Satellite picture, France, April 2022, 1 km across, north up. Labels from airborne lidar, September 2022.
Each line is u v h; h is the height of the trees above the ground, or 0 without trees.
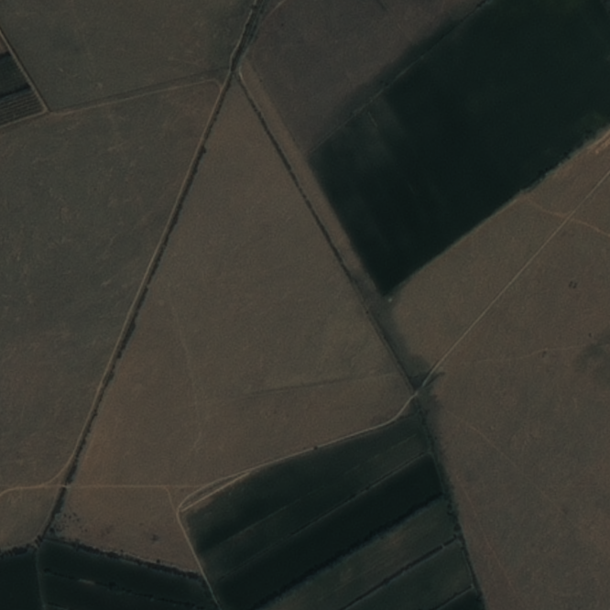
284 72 0
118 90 0
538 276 0
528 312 0
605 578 0
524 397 0
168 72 0
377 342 0
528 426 0
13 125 0
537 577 0
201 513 0
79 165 0
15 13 0
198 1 0
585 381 0
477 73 0
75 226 0
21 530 0
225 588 0
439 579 0
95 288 0
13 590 0
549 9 0
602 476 0
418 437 0
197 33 0
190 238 0
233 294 0
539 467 0
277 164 0
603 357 0
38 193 0
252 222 0
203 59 0
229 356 0
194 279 0
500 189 0
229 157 0
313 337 0
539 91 0
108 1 0
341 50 0
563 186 0
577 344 0
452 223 0
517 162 0
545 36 0
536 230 0
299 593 0
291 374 0
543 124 0
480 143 0
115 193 0
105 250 0
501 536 0
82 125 0
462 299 0
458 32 0
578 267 0
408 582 0
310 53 0
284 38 0
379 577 0
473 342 0
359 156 0
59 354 0
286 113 0
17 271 0
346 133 0
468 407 0
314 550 0
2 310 0
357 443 0
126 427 0
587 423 0
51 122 0
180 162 0
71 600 0
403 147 0
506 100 0
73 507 0
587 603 0
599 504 0
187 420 0
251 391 0
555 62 0
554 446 0
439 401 0
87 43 0
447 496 7
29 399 0
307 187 0
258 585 0
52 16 0
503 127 0
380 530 12
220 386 0
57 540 6
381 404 0
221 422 0
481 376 0
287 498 0
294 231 0
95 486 0
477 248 0
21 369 0
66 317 0
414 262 0
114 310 0
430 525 0
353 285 0
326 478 0
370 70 0
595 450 0
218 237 0
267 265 0
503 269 0
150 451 0
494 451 0
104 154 0
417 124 0
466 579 0
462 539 7
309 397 0
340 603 0
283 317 0
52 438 0
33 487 0
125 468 0
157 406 0
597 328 0
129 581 0
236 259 0
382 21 0
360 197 0
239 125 0
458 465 0
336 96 0
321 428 0
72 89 0
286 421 0
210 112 0
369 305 0
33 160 0
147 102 0
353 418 0
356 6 0
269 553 0
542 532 0
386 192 0
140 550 0
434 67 0
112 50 0
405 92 0
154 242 0
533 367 0
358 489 0
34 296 0
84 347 0
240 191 0
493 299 0
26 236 0
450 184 0
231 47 0
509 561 0
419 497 0
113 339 0
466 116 0
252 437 0
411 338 0
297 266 0
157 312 0
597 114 0
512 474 0
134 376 0
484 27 0
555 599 0
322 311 0
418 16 0
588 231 0
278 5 0
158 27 0
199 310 0
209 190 0
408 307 0
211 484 0
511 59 0
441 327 0
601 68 0
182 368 0
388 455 0
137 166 0
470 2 0
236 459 0
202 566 0
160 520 0
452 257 0
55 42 0
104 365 0
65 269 0
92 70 0
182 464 0
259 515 0
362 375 0
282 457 0
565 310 0
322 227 0
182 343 0
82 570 0
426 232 0
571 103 0
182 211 0
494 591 0
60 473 0
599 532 0
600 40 0
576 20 0
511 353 0
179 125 0
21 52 0
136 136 0
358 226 0
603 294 0
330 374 0
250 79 0
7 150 0
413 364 0
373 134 0
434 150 0
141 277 0
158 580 0
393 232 0
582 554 0
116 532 0
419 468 0
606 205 0
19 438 0
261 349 0
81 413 0
